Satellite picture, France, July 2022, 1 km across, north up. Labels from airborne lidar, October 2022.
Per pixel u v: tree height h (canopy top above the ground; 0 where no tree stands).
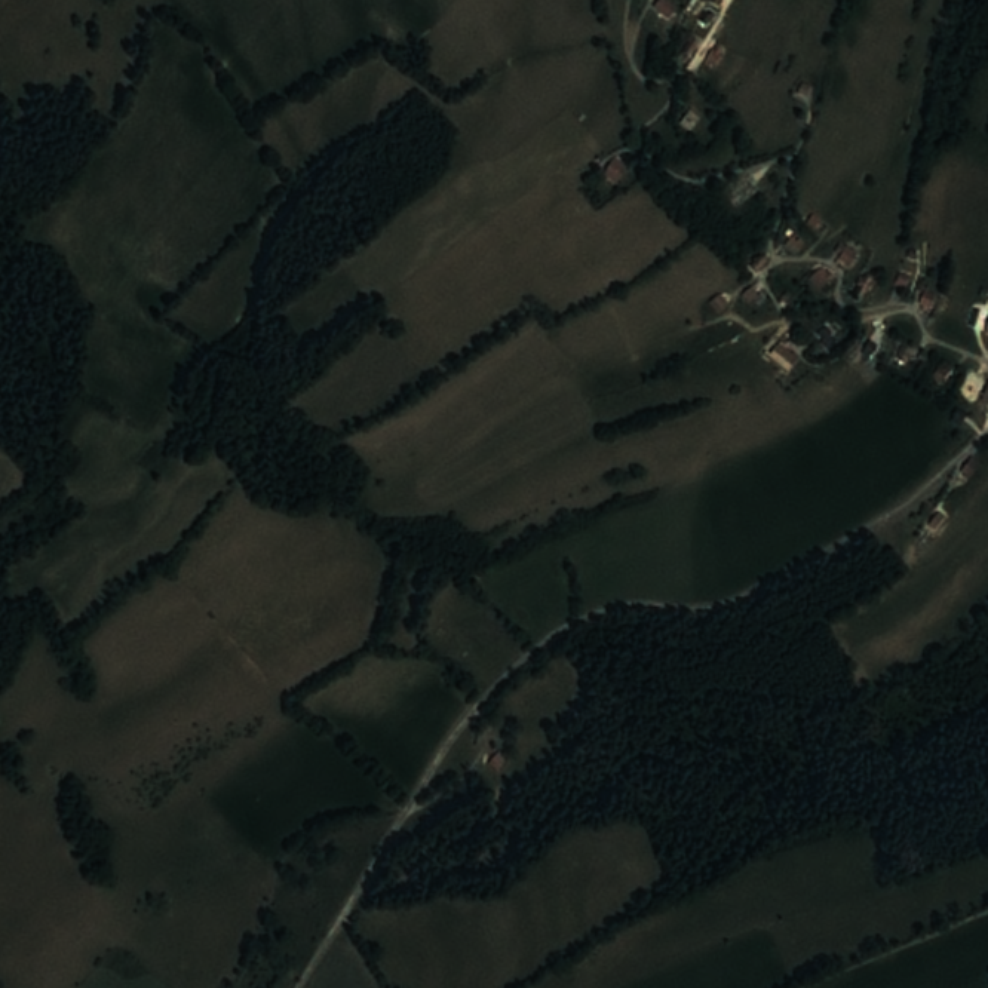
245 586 0
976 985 0
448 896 19
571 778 32
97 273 0
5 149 27
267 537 0
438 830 33
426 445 0
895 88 0
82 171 32
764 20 0
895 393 0
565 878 0
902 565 14
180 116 0
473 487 0
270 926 19
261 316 32
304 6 0
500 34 0
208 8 0
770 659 10
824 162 0
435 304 0
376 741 0
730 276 0
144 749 0
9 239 15
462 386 0
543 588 0
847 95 0
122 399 0
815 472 0
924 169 23
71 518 16
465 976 0
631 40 0
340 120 0
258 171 0
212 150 0
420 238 0
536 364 0
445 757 0
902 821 37
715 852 28
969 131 14
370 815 16
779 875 0
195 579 0
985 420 0
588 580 0
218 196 0
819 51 0
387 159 9
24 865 0
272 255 27
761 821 7
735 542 0
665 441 0
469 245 0
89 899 0
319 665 0
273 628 0
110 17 0
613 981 0
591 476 0
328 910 0
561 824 32
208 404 16
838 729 30
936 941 0
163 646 0
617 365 0
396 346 0
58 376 13
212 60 15
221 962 0
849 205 0
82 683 20
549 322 22
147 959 0
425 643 25
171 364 0
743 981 0
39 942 0
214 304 0
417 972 0
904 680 23
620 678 29
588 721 28
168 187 0
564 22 0
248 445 19
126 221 0
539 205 0
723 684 14
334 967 0
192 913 0
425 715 0
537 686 0
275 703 0
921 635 0
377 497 0
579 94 0
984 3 29
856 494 0
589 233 0
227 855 0
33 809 0
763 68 0
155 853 0
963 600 0
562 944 0
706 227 21
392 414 20
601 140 0
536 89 0
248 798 0
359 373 0
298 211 31
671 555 0
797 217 24
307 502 25
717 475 0
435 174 16
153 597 0
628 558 0
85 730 0
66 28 0
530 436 0
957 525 0
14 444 11
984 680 15
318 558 0
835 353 13
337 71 22
